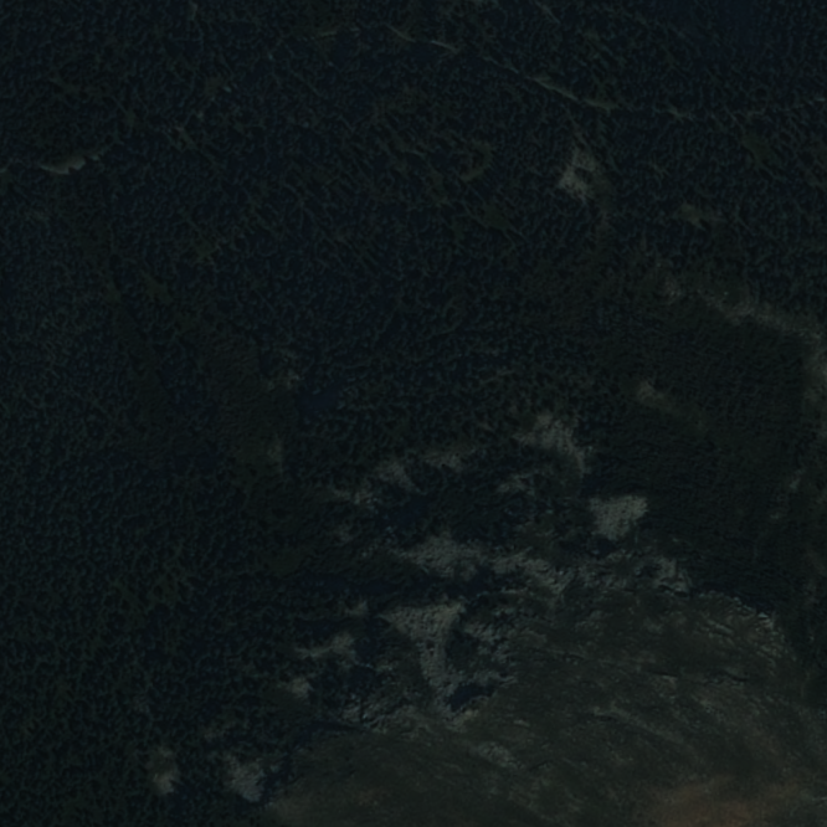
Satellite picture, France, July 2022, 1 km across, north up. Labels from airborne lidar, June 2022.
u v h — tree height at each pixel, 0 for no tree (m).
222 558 6
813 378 0
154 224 30
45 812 20
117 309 17
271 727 9
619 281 7
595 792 0
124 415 8
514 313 9
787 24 28
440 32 10
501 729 0
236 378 6
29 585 23
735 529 7
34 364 19
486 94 24
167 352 30
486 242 24
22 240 28
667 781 0
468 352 17
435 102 11
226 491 16
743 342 8
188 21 26
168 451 6
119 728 24
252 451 0
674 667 0
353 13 9
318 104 24
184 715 10
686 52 30
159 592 21
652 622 0
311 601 8
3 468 18
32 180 20
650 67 31
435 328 26
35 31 13
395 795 0
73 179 7
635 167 23
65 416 17
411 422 13
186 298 21
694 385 10
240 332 28
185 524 21
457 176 30
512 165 22
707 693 0
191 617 22
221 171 7
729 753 0
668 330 9
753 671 0
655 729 0
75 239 26
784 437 6
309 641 16
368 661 19
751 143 0
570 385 7
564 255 27
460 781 0
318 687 16
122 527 18
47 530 27
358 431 10
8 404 22
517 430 8
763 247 26
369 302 6
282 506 6
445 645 0
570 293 14
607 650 0
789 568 6
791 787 0
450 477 9
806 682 0
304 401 11
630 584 0
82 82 11
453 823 0
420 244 7
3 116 15
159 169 27
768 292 24
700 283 0
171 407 6
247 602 16
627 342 7
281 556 6
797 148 8
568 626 0
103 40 24
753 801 0
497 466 6
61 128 6
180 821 8
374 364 6
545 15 22
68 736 14
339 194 5
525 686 0
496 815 0
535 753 0
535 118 24
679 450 7
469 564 0
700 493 10
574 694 0
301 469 12
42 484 23
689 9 28
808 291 9
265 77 27
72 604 28
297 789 0
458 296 6
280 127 20
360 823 0
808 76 6
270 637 13
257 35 27
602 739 0
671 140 24
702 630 0
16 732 21
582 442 6
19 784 14
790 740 0
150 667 30
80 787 15
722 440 0
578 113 27
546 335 8
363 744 0
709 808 0
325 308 24
